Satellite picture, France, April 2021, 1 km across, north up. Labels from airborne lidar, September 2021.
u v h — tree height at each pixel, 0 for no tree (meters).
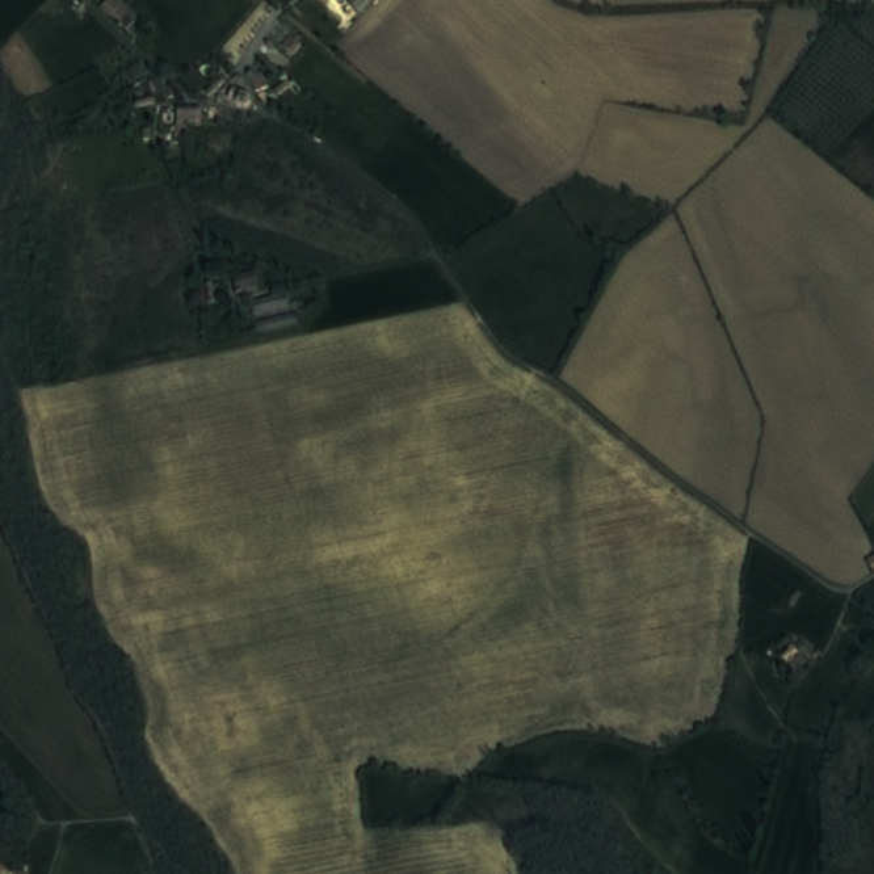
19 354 7
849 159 7
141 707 22
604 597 0
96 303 0
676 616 0
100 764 0
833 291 0
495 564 0
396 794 0
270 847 0
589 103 0
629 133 0
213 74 9
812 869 0
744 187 0
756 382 0
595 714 0
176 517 0
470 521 0
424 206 0
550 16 0
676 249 0
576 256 0
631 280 0
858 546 0
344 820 0
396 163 0
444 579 0
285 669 0
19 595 0
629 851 7
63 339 8
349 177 0
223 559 0
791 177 0
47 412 0
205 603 0
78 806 0
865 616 7
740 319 0
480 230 6
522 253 0
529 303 0
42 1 0
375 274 0
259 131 9
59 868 0
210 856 20
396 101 8
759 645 0
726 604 0
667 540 0
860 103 26
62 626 18
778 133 0
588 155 0
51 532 17
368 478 0
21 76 0
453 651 0
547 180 0
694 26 0
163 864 18
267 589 0
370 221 0
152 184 8
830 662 0
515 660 0
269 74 9
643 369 0
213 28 0
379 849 0
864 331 0
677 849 0
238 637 0
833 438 0
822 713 0
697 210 0
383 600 0
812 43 11
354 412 0
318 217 0
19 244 9
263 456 0
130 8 12
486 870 0
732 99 0
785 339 0
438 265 0
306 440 0
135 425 0
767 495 0
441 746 0
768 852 0
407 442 0
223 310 14
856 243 0
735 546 0
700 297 0
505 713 0
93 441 0
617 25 0
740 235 0
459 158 11
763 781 0
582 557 0
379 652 0
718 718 8
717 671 0
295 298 6
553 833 17
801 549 0
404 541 0
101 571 0
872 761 0
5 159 16
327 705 0
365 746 0
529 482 0
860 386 0
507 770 0
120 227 0
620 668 0
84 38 0
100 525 0
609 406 0
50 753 0
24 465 19
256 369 0
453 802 15
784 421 0
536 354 0
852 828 20
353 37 0
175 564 0
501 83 0
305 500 0
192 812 20
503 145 0
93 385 0
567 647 0
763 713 0
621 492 0
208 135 0
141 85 6
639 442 0
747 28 0
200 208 0
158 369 0
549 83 0
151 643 0
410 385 0
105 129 6
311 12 0
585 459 0
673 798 0
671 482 0
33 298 7
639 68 0
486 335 0
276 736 0
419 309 0
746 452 0
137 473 0
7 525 13
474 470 0
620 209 0
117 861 0
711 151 0
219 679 0
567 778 0
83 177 0
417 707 0
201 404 0
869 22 26
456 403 0
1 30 0
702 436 0
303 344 0
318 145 0
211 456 0
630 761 0
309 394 0
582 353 0
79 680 21
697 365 0
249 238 0
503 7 0
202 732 0
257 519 0
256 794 0
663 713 0
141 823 16
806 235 0
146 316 0
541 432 0
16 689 0
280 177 0
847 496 0
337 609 0
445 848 0
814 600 0
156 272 0
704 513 0
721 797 0
